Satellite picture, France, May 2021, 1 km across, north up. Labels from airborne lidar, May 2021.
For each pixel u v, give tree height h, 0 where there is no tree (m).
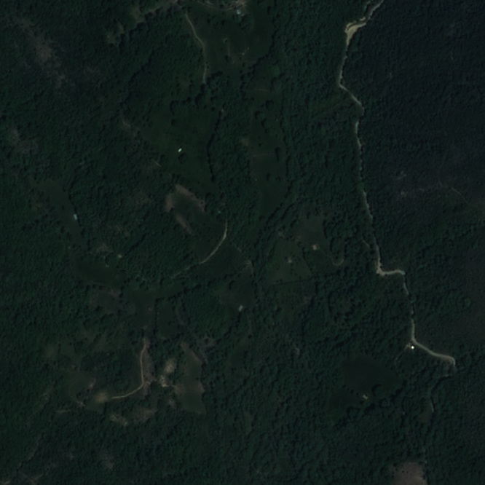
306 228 0
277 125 0
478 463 15
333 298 20
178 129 0
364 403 15
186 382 0
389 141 13
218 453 12
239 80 0
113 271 0
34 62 7
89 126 14
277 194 0
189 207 10
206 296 27
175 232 13
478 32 12
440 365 18
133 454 11
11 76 15
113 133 16
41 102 13
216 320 23
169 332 0
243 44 0
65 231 17
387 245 11
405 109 14
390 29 16
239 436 10
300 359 18
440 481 19
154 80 22
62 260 6
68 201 0
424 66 9
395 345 13
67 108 15
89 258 12
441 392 17
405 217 6
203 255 0
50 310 21
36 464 10
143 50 24
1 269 9
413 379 17
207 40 0
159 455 14
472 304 8
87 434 16
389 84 16
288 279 0
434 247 23
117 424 5
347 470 23
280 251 0
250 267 0
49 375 15
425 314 13
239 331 12
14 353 11
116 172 14
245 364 7
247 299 0
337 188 15
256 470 16
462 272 9
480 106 10
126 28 21
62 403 7
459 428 8
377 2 10
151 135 0
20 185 10
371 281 13
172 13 16
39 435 6
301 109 12
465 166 6
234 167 17
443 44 9
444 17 16
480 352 12
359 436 21
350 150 16
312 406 19
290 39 9
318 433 25
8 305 17
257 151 0
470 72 20
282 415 19
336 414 0
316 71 15
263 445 12
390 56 6
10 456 11
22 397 8
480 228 7
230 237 12
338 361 16
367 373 0
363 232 14
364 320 9
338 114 15
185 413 7
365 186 11
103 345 0
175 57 12
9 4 14
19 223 23
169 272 12
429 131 10
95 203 13
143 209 6
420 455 11
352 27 0
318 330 13
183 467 21
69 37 7
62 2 18
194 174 0
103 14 24
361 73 8
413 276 10
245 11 0
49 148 19
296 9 15
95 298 0
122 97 6
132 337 10
